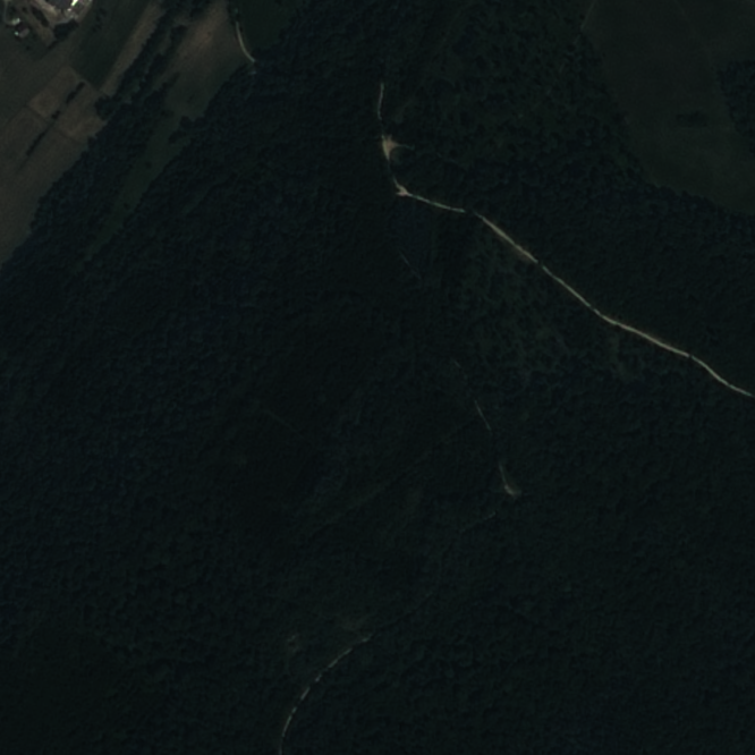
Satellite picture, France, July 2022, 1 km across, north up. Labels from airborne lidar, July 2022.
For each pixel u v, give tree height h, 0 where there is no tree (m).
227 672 29
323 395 23
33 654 6
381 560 9
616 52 0
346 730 27
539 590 25
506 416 18
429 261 22
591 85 27
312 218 9
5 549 23
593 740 23
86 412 25
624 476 22
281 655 8
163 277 13
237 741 19
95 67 0
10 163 0
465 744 19
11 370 18
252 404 21
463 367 9
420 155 23
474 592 9
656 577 24
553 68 24
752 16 0
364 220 11
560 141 24
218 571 23
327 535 12
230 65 0
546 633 18
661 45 0
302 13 11
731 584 28
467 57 24
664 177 0
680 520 21
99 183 22
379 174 13
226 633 25
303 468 12
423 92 9
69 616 18
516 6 23
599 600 20
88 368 13
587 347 16
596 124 24
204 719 26
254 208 26
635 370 19
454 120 20
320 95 21
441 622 14
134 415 26
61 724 9
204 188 19
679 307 19
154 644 30
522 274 20
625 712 20
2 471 16
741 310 19
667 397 24
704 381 17
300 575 13
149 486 22
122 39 0
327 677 14
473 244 28
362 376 12
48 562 28
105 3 0
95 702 7
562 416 26
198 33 0
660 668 23
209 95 0
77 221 17
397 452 7
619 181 30
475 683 19
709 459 20
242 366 21
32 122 0
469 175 22
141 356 20
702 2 0
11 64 0
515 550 25
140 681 6
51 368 21
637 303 18
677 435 27
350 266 14
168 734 26
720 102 0
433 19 8
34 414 22
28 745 9
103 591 26
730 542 20
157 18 0
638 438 22
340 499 7
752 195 0
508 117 26
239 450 9
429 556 15
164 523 23
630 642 21
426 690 27
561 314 16
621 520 22
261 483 9
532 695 21
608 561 21
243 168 14
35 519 24
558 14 21
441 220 6
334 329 10
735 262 20
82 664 12
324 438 16
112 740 11
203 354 21
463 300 26
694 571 18
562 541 21
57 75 0
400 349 22
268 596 23
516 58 17
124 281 12
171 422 21
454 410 8
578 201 26
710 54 0
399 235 26
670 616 20
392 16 14
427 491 9
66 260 18
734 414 20
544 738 9
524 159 0
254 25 0
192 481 23
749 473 21
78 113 0
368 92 9
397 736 20
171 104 0
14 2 0
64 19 0
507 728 20
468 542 16
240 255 11
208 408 21
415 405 22
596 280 17
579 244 13
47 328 17
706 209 30
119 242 9
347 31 10
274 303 15
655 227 15
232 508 19
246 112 19
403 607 13
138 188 0
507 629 17
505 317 13
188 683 24
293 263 14
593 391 26
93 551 20
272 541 12
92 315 18
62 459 25
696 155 0
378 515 12
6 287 19
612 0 0
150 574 19
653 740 19
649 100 0
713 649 20
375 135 19
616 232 17
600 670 7
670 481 21
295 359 11
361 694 22
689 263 23
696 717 23
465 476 8
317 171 27
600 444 24
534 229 23
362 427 27
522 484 11
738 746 15
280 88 21
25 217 0
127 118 15
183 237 6
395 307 13
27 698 8
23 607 26
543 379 19
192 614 22
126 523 23
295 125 15
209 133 15
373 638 7
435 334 20
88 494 26
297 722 7
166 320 28
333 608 8
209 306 13
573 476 27
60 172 0
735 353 17
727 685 25
